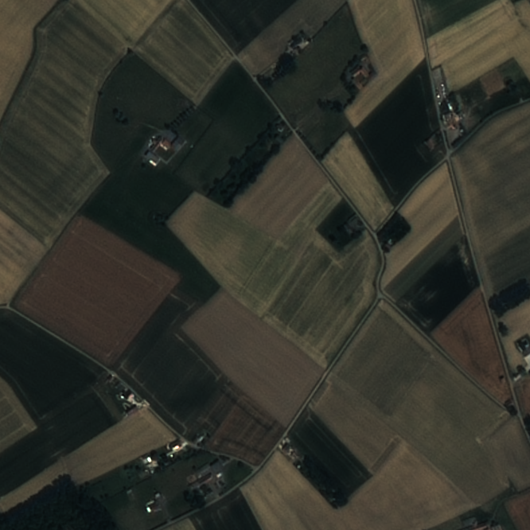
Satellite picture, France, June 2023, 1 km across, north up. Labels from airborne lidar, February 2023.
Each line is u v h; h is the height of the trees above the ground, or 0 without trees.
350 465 0
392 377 0
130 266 0
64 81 0
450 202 0
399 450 0
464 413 0
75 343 0
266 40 0
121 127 0
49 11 0
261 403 0
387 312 0
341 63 0
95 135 0
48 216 0
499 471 0
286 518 0
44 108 0
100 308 0
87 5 0
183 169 0
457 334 0
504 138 0
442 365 0
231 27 0
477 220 0
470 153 0
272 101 0
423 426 0
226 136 0
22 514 23
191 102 0
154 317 0
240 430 0
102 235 0
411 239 0
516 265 0
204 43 0
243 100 0
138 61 0
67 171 0
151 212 0
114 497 0
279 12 0
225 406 0
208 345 0
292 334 0
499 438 0
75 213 0
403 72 0
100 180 0
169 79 0
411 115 0
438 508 0
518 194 0
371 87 0
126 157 0
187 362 0
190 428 0
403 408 0
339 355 0
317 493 0
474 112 0
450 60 0
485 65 0
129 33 0
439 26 0
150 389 0
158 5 0
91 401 0
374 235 0
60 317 0
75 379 0
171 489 0
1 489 0
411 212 0
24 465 0
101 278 0
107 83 0
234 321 0
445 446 0
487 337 0
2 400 0
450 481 0
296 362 0
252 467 0
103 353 0
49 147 0
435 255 0
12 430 0
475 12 0
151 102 0
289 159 0
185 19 0
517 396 0
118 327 0
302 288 0
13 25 0
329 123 0
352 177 0
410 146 0
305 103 0
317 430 0
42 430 0
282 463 0
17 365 0
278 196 0
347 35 0
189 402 0
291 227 0
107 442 0
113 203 0
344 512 0
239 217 0
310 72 0
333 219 0
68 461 0
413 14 0
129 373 0
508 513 0
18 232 0
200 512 0
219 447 0
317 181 0
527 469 0
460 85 0
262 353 0
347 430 0
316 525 0
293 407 0
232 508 0
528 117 0
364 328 0
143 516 0
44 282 0
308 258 0
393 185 0
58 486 22
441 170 0
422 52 0
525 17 0
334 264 0
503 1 0
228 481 0
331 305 0
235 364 0
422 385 0
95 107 0
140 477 0
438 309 0
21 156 0
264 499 0
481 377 0
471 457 0
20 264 0
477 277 0
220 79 0
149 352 0
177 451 0
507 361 0
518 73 0
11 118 0
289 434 0
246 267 0
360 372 0
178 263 0
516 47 0
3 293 0
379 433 0
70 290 0
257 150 0
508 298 29
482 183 0
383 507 0
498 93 0
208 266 0
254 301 0
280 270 0
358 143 0
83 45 0
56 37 0
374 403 0
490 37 0
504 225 0
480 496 0
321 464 0
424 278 0
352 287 0
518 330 0
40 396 0
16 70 0
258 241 0
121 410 0
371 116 0
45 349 0
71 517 27
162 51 0
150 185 0
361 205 0
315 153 9
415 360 0
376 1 0
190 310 0
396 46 0
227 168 0
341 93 0
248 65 0
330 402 0
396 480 0
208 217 0
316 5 0
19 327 0
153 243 0
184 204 0
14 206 0
